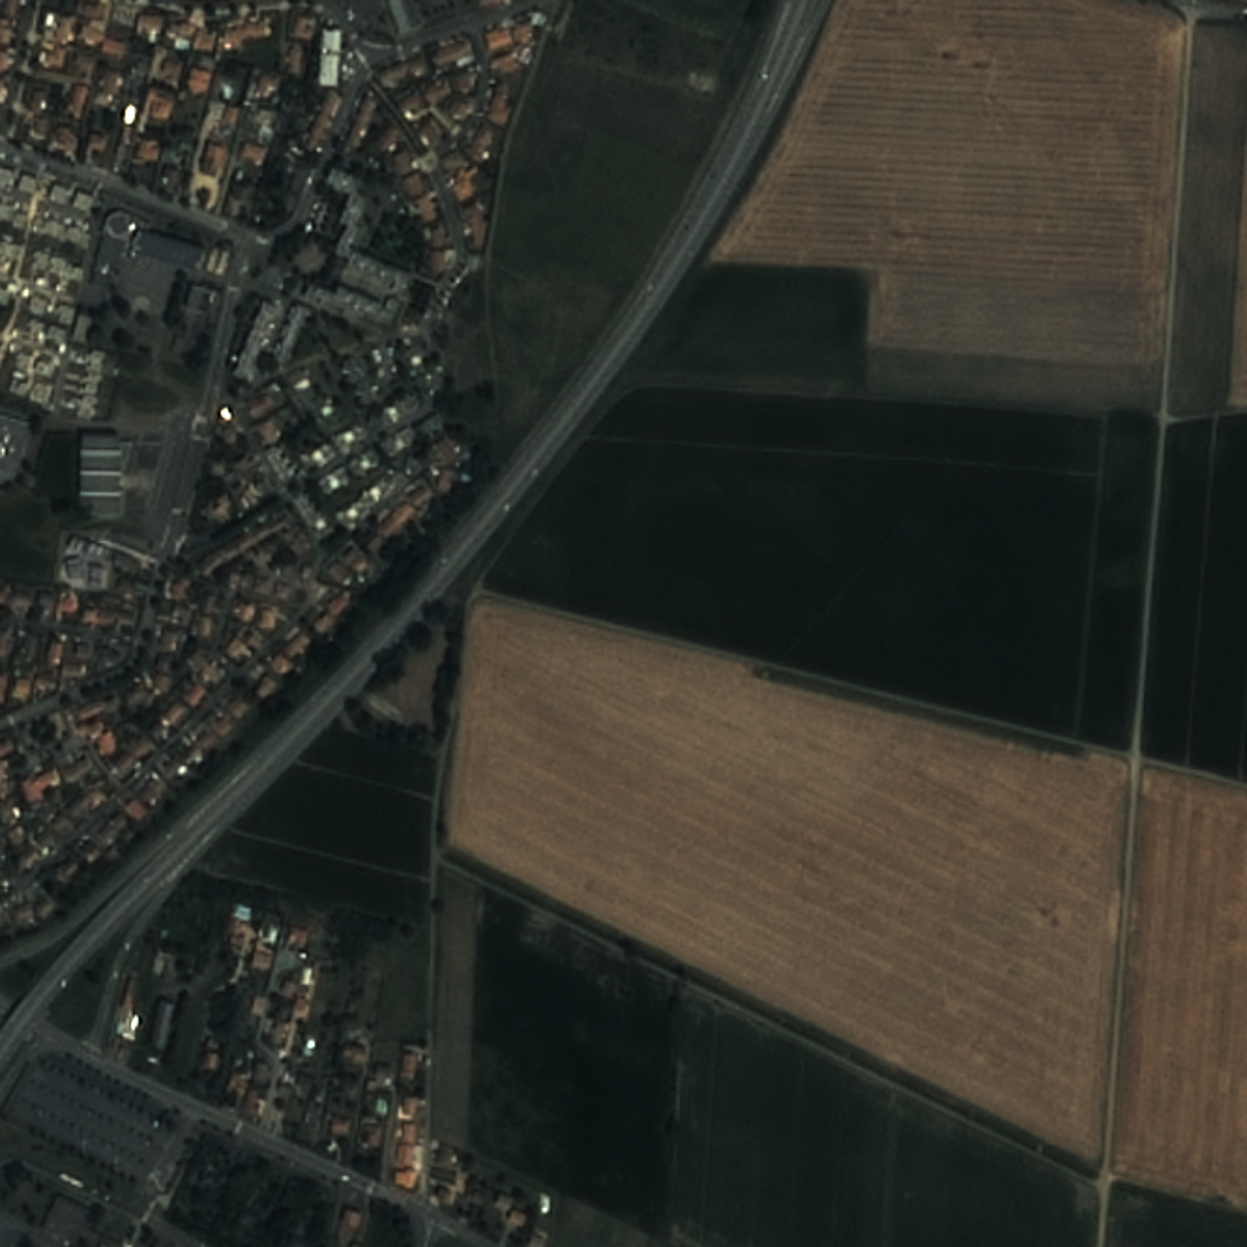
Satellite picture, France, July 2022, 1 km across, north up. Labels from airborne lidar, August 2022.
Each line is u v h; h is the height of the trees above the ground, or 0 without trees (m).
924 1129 0
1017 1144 0
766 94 0
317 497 11
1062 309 0
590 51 0
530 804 0
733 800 0
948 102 0
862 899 0
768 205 0
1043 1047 0
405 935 7
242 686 13
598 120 0
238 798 0
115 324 0
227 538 10
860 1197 0
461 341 0
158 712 9
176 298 10
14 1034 0
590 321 0
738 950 0
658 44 0
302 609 0
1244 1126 0
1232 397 0
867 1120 0
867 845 0
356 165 10
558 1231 0
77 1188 0
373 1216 11
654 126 0
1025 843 0
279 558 9
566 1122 0
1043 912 0
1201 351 0
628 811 0
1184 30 0
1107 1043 0
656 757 0
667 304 0
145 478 0
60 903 9
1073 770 0
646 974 0
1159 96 0
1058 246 0
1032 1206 0
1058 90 0
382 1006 0
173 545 0
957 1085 0
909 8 0
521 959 0
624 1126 0
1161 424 0
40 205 0
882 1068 0
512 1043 0
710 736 0
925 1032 0
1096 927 0
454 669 16
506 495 0
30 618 10
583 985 0
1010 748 0
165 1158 0
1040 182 0
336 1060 6
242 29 0
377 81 6
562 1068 0
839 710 0
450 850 0
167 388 0
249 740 0
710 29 0
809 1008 0
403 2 0
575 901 0
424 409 0
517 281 0
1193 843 0
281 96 6
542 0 0
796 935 0
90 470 0
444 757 0
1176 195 0
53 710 0
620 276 0
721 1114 0
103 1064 0
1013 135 0
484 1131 0
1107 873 0
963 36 0
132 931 0
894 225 0
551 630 0
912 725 0
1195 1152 0
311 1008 0
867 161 0
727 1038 0
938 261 0
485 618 0
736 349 0
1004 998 0
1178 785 0
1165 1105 0
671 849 0
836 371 0
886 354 0
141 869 0
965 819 0
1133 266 0
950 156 0
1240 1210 0
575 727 0
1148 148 0
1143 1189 0
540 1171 0
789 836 0
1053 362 0
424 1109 0
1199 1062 0
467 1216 7
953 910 0
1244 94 0
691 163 0
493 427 0
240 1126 0
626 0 0
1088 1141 0
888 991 0
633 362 0
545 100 0
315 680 0
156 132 6
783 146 0
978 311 0
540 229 0
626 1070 0
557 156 0
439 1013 0
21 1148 0
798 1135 0
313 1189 6
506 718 0
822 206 0
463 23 0
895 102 0
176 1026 10
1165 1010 0
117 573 8
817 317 0
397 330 0
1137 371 0
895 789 0
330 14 0
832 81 0
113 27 0
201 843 0
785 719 0
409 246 8
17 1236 0
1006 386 0
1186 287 0
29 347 0
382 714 0
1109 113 0
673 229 0
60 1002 0
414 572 20
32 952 0
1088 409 0
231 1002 8
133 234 0
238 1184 9
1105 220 0
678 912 0
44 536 0
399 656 13
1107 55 0
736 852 0
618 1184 0
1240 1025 0
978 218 0
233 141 0
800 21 0
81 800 0
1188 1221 0
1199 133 0
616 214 0
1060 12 0
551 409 0
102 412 0
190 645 9
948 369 0
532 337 0
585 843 0
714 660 0
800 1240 0
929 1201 0
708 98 0
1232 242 0
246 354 0
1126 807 0
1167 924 0
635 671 0
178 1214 6
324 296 0
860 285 0
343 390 10
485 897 0
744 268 0
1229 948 0
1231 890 0
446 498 8
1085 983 0
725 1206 0
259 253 0
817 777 0
